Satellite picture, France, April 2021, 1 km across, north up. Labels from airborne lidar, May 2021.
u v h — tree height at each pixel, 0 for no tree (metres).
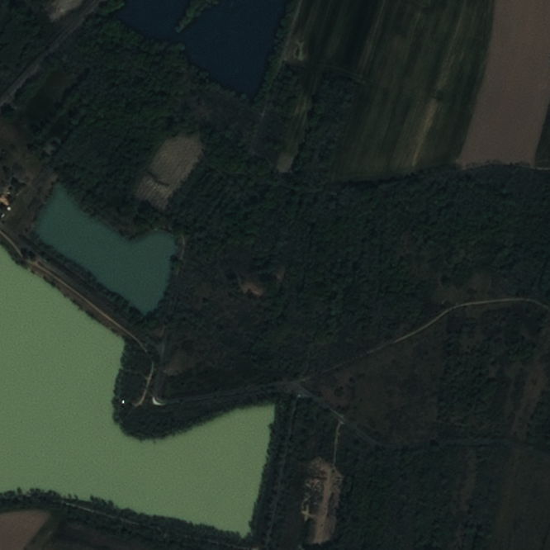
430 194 20
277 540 13
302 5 0
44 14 7
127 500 0
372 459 13
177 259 12
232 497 0
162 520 13
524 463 0
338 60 0
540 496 0
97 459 0
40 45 15
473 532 9
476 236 16
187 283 11
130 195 19
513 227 17
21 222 0
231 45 0
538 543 0
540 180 14
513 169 15
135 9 0
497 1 0
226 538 12
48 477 0
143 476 0
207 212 10
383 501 12
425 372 0
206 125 19
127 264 0
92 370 0
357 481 15
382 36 0
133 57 19
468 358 8
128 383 6
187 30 0
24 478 0
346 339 17
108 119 12
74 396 0
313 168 16
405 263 9
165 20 0
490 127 0
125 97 22
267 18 0
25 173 20
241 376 0
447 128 0
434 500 7
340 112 15
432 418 0
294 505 6
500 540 0
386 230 15
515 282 17
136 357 12
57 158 14
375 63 0
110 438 0
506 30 0
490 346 10
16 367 0
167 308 12
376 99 0
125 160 11
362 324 14
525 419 0
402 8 0
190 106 19
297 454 11
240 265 16
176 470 0
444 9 0
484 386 13
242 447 0
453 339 10
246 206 19
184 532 8
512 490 0
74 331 0
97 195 14
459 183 19
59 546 0
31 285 0
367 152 0
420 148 0
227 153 21
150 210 23
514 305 0
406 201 18
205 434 0
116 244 0
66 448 0
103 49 19
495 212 22
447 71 0
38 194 0
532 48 0
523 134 0
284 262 16
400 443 0
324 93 12
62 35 0
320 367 13
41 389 0
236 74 0
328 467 0
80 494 0
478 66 0
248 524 0
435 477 7
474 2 0
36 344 0
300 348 6
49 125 15
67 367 0
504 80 0
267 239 18
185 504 0
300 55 0
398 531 17
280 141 15
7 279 0
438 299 0
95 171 14
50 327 0
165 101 25
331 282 17
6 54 10
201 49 0
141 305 0
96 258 0
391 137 0
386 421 0
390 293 20
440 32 0
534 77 0
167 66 21
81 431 0
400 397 0
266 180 12
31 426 0
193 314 13
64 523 0
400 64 0
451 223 19
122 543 0
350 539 11
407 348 0
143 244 0
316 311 25
